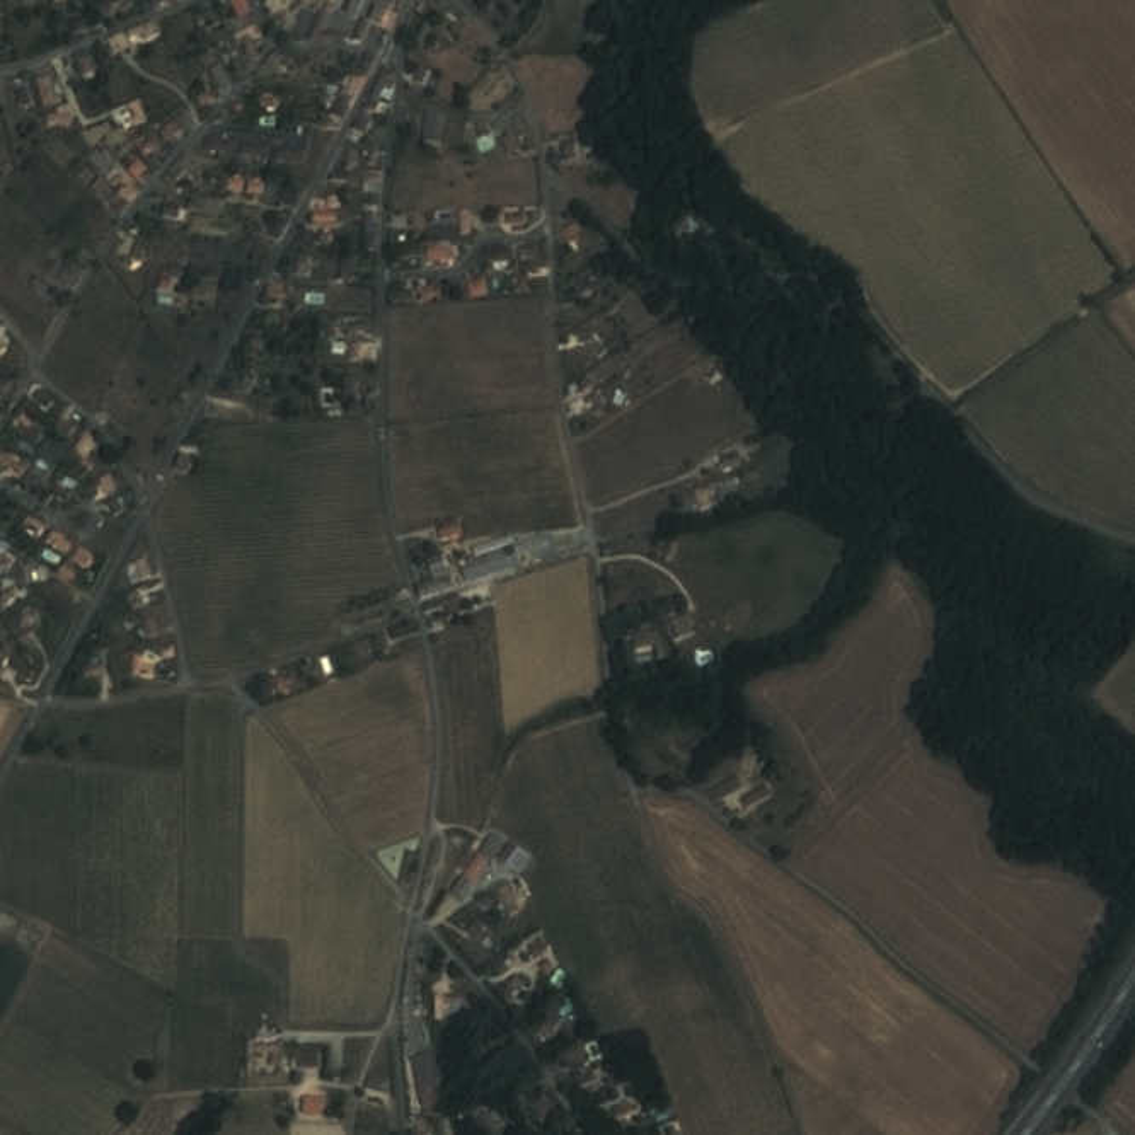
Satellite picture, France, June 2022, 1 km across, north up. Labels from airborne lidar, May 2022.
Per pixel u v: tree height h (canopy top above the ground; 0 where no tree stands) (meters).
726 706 19
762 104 0
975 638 36
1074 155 0
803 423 18
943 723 17
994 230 0
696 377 0
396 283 6
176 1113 0
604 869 0
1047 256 0
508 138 0
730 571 0
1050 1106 0
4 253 0
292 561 0
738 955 0
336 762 0
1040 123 0
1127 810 14
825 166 0
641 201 11
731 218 22
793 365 37
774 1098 0
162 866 0
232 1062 0
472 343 0
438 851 0
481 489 0
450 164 0
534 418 0
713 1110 0
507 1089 14
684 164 25
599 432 0
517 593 0
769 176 0
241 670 0
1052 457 0
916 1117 0
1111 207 0
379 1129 0
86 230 0
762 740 16
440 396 0
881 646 0
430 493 0
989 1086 0
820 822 0
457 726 0
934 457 15
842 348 26
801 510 9
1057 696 13
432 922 0
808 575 0
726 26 0
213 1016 0
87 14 12
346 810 0
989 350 0
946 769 0
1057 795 14
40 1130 0
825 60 0
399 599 0
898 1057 0
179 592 0
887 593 0
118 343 0
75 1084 0
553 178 0
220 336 14
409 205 0
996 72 0
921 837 0
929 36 0
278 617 0
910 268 0
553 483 0
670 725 7
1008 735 12
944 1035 0
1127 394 0
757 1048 0
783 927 0
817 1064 0
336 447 0
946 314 0
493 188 0
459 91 17
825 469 17
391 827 0
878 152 0
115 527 0
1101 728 16
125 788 0
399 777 0
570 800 0
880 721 0
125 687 8
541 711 0
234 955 0
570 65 0
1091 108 0
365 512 0
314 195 0
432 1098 0
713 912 0
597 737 0
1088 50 0
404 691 0
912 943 0
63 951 0
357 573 0
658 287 10
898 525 31
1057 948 0
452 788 0
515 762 0
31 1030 0
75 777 0
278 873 0
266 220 7
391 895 0
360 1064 0
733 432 0
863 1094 0
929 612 0
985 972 0
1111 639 23
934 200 0
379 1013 0
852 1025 0
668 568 0
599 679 0
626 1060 19
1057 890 0
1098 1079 12
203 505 0
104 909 0
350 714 0
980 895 0
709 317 16
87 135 0
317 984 0
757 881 0
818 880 0
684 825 0
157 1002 0
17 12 6
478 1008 9
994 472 14
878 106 0
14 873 0
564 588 0
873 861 0
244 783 0
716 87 0
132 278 0
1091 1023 0
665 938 0
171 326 0
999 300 0
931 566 26
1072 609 18
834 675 0
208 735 0
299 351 8
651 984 0
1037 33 0
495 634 0
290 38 11
